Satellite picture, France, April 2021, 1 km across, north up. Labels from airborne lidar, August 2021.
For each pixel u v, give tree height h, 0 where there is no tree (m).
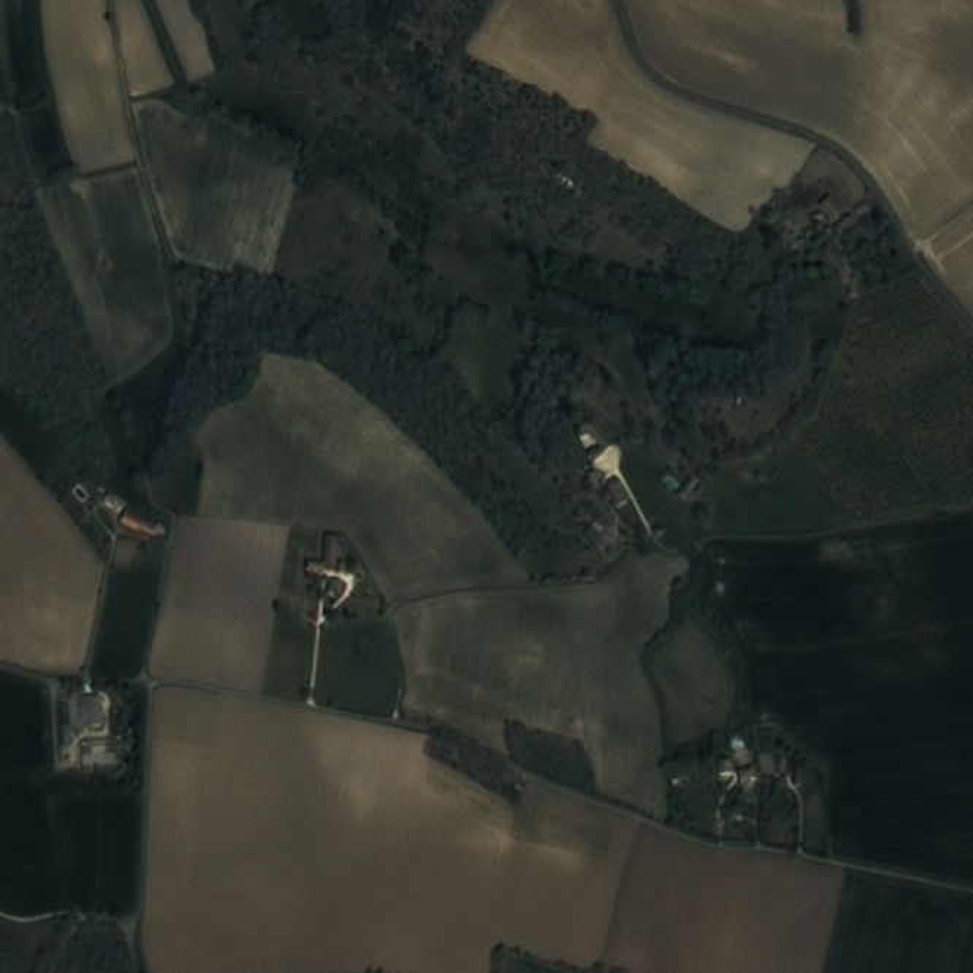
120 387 0
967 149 0
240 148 0
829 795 0
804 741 0
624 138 0
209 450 0
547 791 0
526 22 0
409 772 0
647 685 0
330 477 0
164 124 0
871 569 0
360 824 0
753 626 0
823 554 0
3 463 0
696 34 0
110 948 16
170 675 0
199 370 15
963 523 0
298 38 15
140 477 14
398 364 11
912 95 0
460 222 0
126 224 0
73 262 0
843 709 0
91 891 0
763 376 15
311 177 8
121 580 0
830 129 0
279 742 0
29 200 12
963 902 0
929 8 0
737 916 0
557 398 15
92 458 19
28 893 0
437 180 9
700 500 0
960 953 0
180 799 0
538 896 0
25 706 0
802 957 0
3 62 0
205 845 0
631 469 0
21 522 0
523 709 0
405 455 0
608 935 0
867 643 0
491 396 0
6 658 0
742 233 0
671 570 0
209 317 15
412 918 0
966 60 0
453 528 0
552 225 16
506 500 15
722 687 0
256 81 0
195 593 0
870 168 0
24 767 0
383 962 0
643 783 0
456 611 0
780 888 0
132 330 0
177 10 0
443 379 19
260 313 10
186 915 0
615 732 0
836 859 0
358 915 0
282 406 0
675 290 27
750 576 0
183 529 0
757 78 0
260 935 0
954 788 0
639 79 0
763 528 0
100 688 7
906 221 0
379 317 8
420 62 9
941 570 0
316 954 0
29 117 0
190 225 0
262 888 0
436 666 0
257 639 0
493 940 0
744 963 0
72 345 22
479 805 0
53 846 0
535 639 0
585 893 0
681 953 0
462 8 12
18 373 16
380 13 11
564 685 0
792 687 0
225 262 0
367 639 0
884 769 0
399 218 11
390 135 0
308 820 0
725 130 0
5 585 0
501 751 0
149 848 0
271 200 0
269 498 0
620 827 0
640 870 0
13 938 0
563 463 25
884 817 0
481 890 0
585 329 0
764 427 0
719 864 0
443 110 6
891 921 0
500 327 0
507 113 11
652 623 0
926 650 0
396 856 0
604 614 0
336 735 0
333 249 0
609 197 9
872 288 12
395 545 0
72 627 0
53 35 0
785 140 0
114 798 0
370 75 11
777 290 13
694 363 19
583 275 13
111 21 6
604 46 0
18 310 11
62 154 0
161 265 0
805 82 0
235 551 0
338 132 8
